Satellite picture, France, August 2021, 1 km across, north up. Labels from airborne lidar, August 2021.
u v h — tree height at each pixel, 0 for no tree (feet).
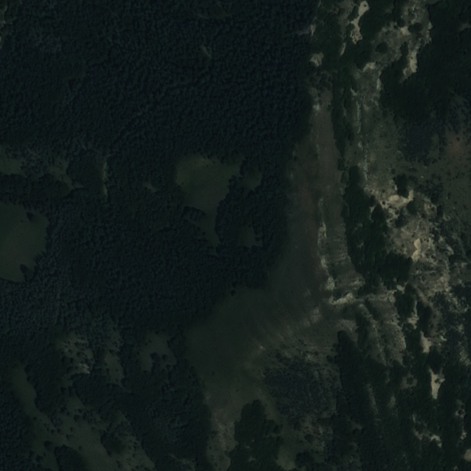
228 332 0
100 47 80
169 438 65
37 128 88
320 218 0
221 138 61
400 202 0
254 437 30
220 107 60
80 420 57
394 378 41
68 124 78
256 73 85
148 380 50
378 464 46
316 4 41
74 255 75
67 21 75
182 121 68
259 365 0
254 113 69
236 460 34
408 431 46
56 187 73
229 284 31
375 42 0
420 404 50
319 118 0
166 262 35
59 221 76
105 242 77
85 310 39
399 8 18
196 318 49
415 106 51
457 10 40
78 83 45
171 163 57
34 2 50
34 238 0
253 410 40
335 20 30
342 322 0
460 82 49
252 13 72
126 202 73
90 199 59
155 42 66
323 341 0
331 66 34
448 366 29
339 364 43
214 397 0
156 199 35
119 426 19
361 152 0
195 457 31
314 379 25
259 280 58
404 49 45
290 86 65
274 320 0
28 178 27
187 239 70
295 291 0
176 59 64
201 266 66
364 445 48
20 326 68
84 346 25
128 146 50
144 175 54
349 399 46
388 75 38
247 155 58
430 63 43
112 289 57
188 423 34
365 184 0
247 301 0
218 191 0
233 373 0
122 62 54
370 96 0
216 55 52
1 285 58
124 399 59
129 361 56
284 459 0
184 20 40
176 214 69
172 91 40
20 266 0
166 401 46
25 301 61
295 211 0
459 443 21
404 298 39
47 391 82
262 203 63
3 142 51
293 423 21
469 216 0
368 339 26
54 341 64
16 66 74
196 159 0
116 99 63
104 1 83
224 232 65
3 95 73
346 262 0
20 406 48
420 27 35
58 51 38
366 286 21
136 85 57
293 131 54
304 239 0
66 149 33
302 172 0
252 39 60
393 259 40
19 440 42
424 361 44
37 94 81
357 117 0
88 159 67
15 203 67
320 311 0
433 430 42
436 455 52
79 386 56
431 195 25
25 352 68
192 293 73
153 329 41
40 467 44
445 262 0
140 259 38
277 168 53
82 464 71
